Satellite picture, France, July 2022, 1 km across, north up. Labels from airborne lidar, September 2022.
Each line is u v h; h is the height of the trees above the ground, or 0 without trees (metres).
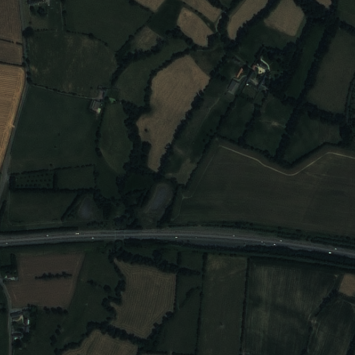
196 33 0
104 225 8
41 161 0
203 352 0
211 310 0
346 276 0
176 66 0
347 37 0
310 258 14
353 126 16
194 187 0
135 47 0
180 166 0
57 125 0
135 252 0
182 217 0
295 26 0
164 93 0
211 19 0
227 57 14
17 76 0
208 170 0
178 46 0
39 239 0
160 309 0
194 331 0
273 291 0
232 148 0
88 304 0
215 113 0
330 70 0
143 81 0
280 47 0
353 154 0
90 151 0
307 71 0
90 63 0
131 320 0
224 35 15
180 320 0
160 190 0
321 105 0
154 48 6
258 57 11
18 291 0
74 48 0
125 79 0
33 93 0
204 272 10
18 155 0
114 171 0
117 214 0
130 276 0
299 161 12
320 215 0
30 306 16
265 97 7
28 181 7
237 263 0
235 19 0
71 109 0
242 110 0
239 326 0
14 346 13
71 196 0
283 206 0
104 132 0
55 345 13
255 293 0
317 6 27
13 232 10
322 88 0
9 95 0
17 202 0
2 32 0
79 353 0
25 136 0
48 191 9
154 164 0
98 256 0
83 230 0
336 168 0
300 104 25
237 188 0
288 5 0
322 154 0
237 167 0
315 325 0
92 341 0
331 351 0
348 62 0
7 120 0
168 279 0
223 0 0
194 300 0
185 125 24
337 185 0
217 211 0
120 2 0
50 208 0
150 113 0
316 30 0
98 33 0
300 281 0
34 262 0
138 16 0
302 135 0
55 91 10
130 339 20
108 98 14
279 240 0
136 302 0
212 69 0
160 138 0
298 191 0
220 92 0
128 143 0
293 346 0
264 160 0
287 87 20
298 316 0
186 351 0
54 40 0
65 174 0
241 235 0
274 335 0
